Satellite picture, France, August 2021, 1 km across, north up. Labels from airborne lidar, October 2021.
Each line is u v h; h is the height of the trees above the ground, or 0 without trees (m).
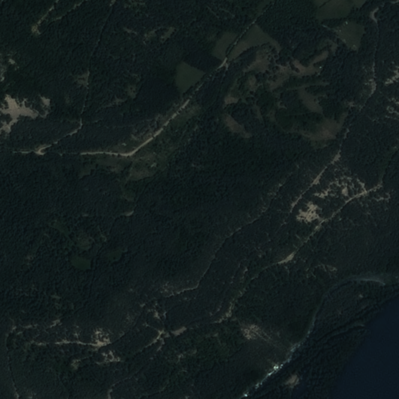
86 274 17
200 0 20
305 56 12
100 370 26
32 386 11
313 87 10
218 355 10
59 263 18
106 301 19
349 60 18
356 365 15
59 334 16
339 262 11
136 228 13
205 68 15
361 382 17
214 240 13
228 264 22
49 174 16
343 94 17
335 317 12
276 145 14
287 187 17
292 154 13
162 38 6
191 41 21
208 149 7
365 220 18
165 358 8
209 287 15
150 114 16
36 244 28
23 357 18
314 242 18
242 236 18
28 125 9
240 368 17
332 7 0
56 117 14
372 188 13
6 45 8
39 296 22
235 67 11
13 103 0
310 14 12
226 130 7
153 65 9
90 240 8
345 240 12
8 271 17
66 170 25
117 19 25
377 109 15
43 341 26
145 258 14
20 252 12
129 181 6
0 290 6
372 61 13
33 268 19
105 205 13
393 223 12
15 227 25
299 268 17
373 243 11
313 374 15
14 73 14
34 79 11
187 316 23
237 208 14
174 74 13
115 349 17
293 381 0
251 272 20
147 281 15
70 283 15
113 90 17
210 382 18
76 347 25
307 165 12
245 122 18
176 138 10
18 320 7
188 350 22
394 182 22
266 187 12
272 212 16
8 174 17
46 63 18
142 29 22
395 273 18
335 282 14
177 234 19
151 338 21
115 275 15
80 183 13
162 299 20
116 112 19
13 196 17
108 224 14
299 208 17
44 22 9
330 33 14
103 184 17
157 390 12
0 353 8
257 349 9
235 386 28
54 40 33
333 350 23
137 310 14
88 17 12
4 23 17
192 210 18
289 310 25
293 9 12
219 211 13
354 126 16
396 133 16
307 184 10
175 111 9
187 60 16
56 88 16
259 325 12
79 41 19
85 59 23
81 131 11
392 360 16
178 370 21
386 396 18
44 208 18
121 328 9
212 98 17
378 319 18
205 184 14
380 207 7
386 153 27
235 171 15
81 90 15
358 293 15
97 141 13
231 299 21
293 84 8
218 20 18
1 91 15
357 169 19
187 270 7
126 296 9
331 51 10
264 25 15
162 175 7
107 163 0
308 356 25
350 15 9
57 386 14
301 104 9
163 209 21
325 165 11
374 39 13
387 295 22
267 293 19
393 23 25
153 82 16
